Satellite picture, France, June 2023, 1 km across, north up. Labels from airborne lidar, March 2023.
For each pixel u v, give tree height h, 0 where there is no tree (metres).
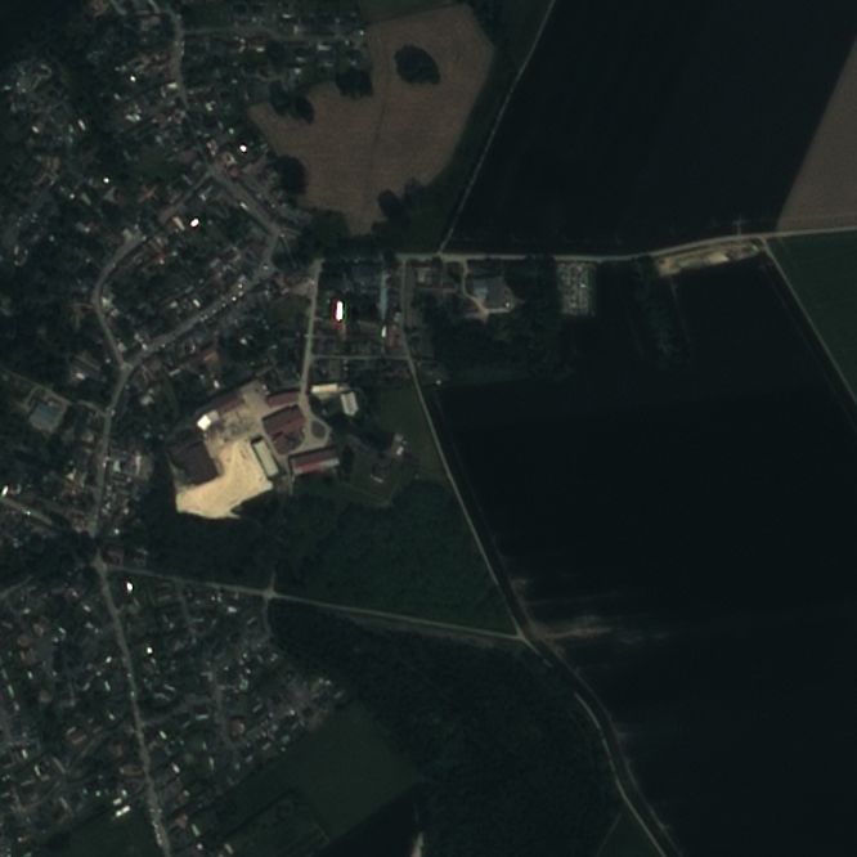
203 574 13
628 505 0
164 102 0
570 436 0
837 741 0
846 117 0
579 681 0
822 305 0
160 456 15
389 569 21
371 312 10
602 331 0
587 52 0
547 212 0
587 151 0
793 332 0
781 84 0
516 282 13
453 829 17
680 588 0
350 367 8
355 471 0
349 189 0
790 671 0
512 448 0
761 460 0
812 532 0
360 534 22
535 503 0
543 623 0
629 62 0
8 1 0
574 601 0
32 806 0
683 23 0
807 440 0
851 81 0
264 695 0
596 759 14
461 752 12
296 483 0
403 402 0
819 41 0
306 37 0
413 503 22
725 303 0
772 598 0
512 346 12
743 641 0
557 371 12
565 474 0
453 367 11
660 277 0
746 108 0
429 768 10
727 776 0
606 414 0
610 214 0
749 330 0
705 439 0
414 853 0
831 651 0
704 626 0
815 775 0
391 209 22
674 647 0
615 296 0
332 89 0
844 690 0
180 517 17
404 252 0
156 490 14
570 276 0
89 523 0
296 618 14
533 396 0
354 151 0
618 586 0
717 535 0
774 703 0
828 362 0
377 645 14
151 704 7
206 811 7
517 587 0
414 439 0
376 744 0
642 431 0
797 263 0
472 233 0
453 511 23
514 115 0
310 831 0
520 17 0
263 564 11
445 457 0
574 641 0
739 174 0
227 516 0
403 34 0
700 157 0
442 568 21
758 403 0
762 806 0
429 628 0
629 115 0
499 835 12
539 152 0
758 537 0
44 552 20
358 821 0
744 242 0
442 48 0
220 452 0
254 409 0
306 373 0
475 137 0
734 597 0
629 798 0
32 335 16
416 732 13
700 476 0
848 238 0
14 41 0
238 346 15
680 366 0
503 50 7
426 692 15
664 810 0
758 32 0
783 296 0
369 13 0
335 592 19
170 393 0
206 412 9
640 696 0
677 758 0
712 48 0
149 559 9
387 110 0
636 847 0
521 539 0
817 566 0
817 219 0
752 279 0
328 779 0
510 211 0
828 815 0
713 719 0
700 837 0
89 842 0
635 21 0
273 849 0
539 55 0
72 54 15
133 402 11
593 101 0
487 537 0
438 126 0
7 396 0
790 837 0
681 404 0
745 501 0
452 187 0
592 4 0
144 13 0
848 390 0
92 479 11
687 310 0
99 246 13
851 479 0
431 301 10
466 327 15
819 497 0
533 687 7
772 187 0
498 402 0
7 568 7
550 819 11
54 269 8
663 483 0
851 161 0
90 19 9
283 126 0
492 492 0
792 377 0
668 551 0
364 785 0
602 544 0
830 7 0
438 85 0
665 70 0
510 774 7
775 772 0
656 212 0
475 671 7
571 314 0
